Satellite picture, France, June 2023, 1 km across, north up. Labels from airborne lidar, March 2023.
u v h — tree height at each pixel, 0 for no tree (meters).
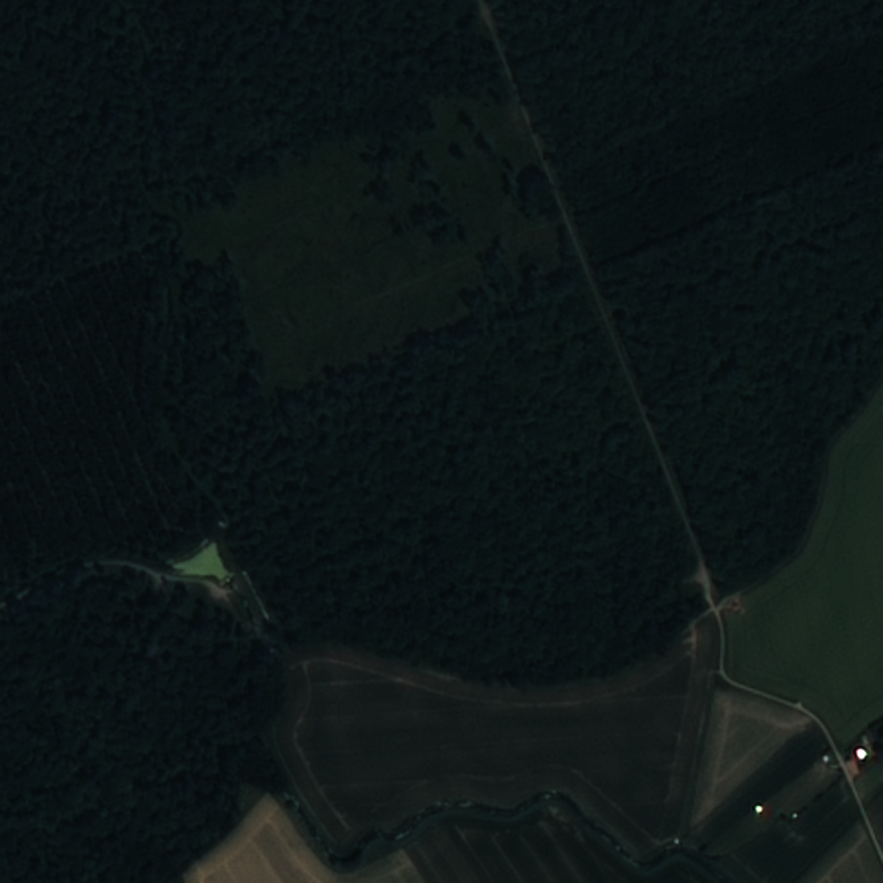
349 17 19
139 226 22
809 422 22
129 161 10
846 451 0
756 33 20
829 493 0
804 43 24
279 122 19
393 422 20
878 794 0
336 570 23
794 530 18
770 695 0
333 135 17
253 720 26
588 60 27
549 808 0
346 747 0
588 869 0
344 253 0
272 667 28
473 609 17
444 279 0
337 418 20
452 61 22
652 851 0
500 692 0
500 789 0
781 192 20
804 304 26
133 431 16
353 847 0
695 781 0
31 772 23
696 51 17
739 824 0
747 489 23
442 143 0
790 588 0
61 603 21
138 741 23
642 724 0
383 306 0
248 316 0
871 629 0
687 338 24
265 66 23
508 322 24
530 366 24
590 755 0
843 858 0
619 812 0
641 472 24
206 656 22
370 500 24
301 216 0
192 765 15
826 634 0
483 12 0
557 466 14
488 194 0
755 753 0
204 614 18
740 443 23
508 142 0
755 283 22
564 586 25
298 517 25
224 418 24
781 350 22
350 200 0
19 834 21
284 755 0
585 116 22
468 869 0
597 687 0
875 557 0
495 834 0
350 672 0
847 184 20
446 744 0
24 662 25
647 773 0
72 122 21
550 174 0
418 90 21
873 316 25
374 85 24
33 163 25
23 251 23
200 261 0
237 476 24
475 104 0
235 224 0
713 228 18
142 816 23
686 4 23
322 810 0
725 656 0
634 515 23
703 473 24
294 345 0
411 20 25
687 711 0
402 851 0
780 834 0
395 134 25
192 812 23
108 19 22
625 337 22
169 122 24
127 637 22
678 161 13
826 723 0
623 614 25
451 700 0
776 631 0
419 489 27
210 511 27
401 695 0
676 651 0
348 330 0
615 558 24
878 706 0
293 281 0
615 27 23
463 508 24
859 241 23
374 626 19
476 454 21
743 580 15
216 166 22
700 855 6
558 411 23
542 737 0
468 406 22
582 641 18
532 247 0
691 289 23
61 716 22
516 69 28
